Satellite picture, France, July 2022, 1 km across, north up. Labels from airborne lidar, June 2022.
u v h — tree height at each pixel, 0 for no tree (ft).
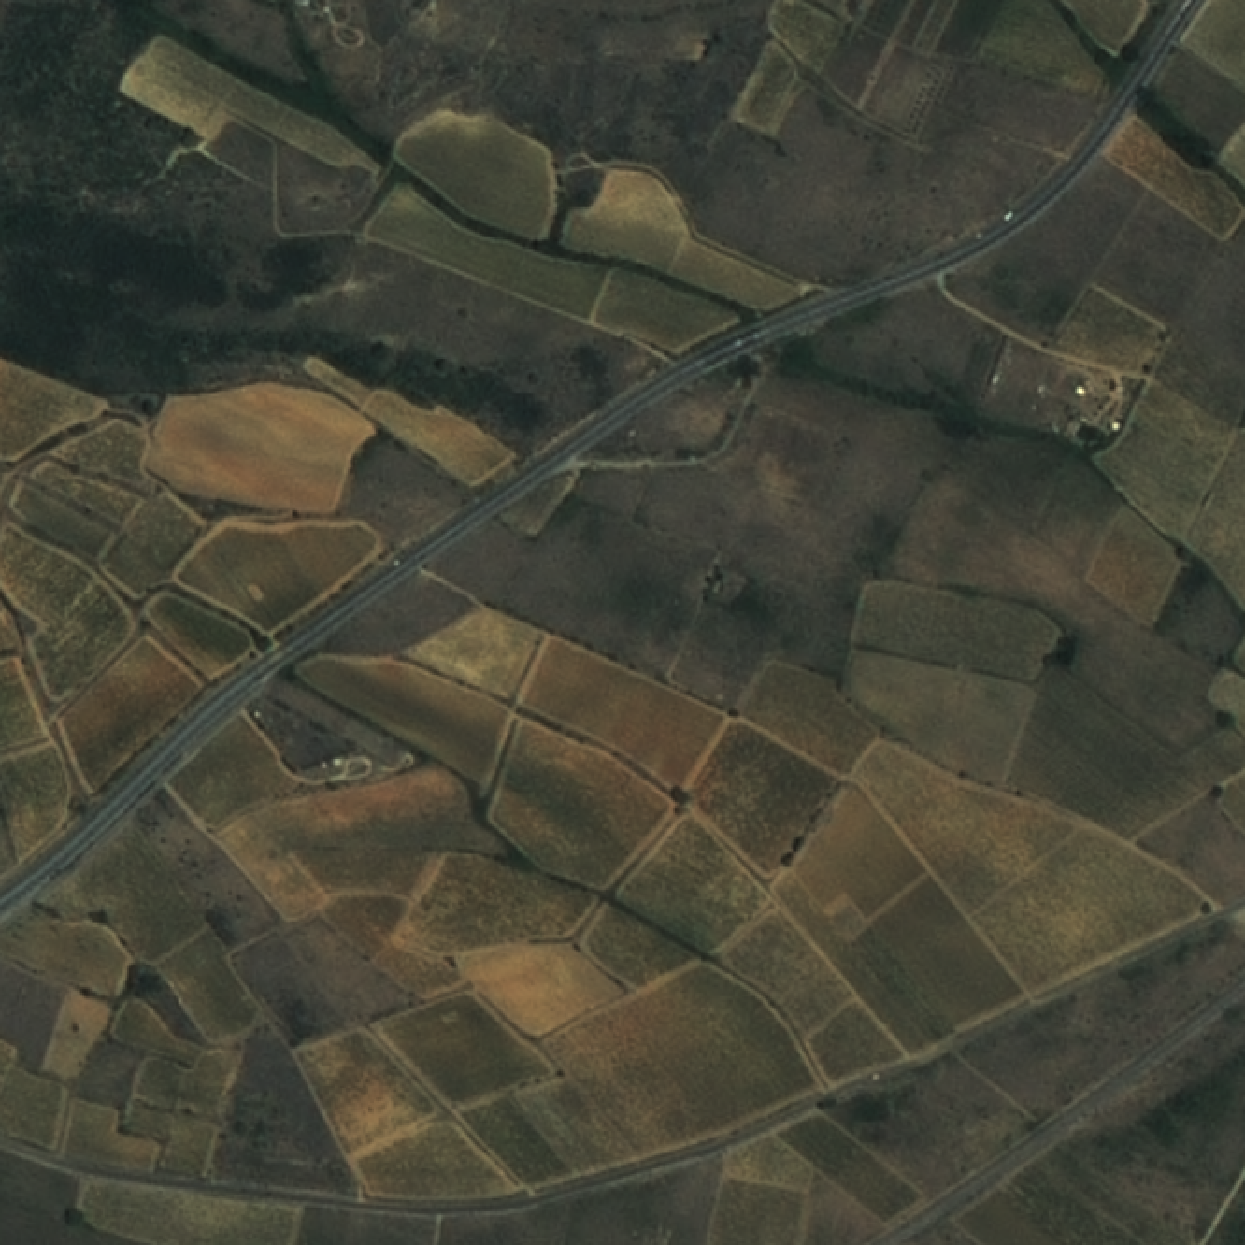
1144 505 0
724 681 0
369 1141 0
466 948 0
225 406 0
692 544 0
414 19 0
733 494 0
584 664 0
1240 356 0
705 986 0
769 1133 0
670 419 0
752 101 0
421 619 0
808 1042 0
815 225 0
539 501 0
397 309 0
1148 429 0
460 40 0
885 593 0
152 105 0
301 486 0
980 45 0
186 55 0
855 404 0
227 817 0
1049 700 0
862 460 0
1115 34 0
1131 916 0
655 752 0
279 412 0
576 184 0
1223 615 0
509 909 0
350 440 0
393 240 0
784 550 0
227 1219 0
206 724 0
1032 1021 0
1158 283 0
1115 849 0
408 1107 0
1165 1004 0
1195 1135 0
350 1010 0
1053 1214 0
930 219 0
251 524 0
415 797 0
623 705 0
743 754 0
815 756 0
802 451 0
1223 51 0
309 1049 0
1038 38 0
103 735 0
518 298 0
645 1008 0
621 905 0
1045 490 0
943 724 0
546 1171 0
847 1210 0
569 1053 0
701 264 0
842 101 0
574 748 0
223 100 0
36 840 0
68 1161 0
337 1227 0
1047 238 0
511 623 0
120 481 0
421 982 0
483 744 0
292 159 0
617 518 0
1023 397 0
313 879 0
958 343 0
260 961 0
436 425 0
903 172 0
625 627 0
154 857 0
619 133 0
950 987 0
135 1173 0
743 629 0
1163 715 0
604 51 0
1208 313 0
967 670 0
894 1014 0
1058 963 0
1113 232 0
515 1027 0
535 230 0
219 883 0
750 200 0
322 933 0
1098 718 0
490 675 0
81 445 0
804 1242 0
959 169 0
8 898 0
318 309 0
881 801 0
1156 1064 0
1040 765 0
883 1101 0
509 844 0
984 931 0
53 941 0
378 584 0
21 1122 0
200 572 0
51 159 0
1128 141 0
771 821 0
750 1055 0
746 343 0
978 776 0
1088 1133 0
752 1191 0
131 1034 0
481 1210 0
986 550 0
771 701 0
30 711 0
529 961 0
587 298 0
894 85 0
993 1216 0
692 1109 0
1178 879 0
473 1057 0
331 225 0
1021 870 0
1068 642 30
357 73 0
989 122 0
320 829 0
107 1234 0
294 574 0
